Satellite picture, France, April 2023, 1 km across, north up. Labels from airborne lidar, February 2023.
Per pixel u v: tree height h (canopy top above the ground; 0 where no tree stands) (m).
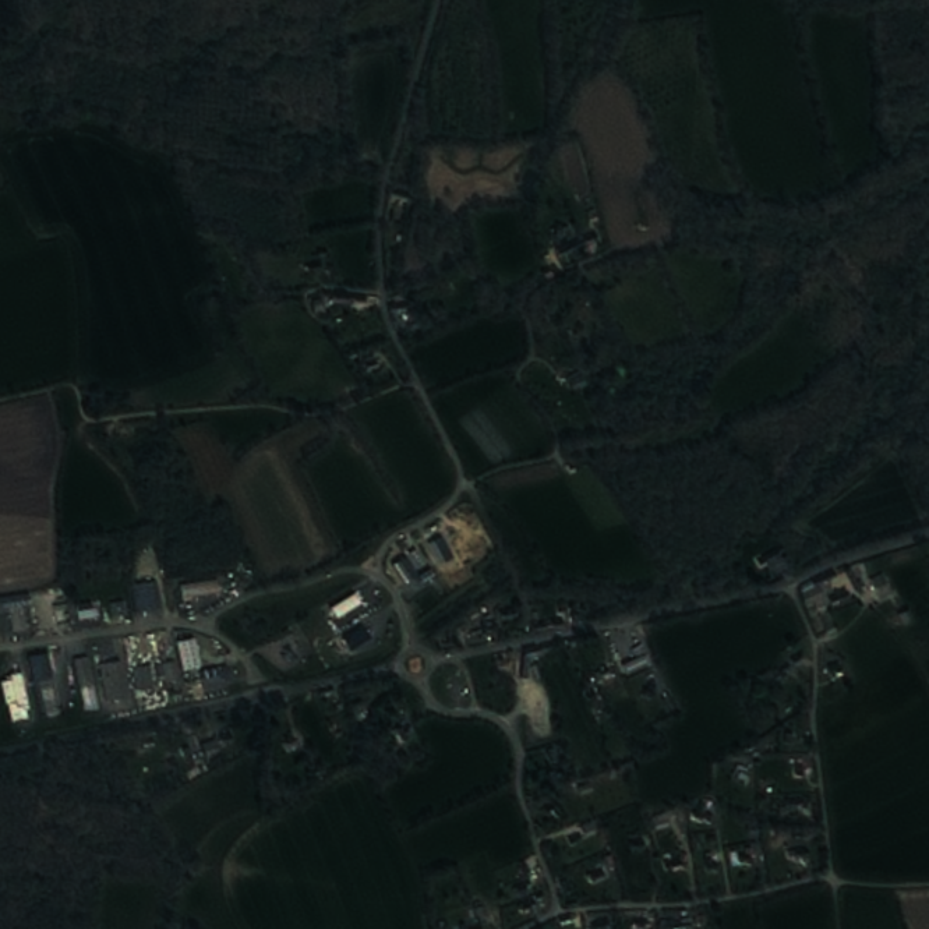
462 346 0
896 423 10
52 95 11
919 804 0
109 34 13
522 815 0
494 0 0
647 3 0
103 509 0
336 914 0
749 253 8
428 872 9
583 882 0
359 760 15
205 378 0
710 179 0
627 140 0
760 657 0
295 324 0
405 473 0
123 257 0
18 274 0
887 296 8
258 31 9
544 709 0
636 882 0
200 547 11
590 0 8
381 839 0
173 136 24
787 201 17
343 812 0
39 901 9
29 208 0
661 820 0
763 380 0
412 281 14
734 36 0
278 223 9
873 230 12
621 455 17
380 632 0
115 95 8
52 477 0
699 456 11
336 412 14
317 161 14
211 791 0
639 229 0
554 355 0
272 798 16
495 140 13
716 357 10
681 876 0
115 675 0
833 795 0
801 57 10
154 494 8
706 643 0
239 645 0
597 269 11
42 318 0
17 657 0
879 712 0
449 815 10
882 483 0
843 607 0
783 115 0
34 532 0
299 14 10
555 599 6
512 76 0
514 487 0
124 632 0
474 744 0
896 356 7
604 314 16
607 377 9
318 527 0
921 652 0
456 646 12
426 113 9
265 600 0
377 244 12
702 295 0
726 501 12
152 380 0
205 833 0
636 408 14
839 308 9
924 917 0
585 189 0
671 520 11
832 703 0
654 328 0
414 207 10
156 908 0
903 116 12
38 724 0
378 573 0
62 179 0
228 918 0
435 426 9
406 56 13
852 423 10
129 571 7
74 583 7
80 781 18
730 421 12
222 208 9
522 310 10
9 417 0
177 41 11
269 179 19
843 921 0
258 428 0
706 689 0
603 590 16
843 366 16
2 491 0
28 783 14
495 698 0
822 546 9
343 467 0
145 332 0
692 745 0
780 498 18
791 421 10
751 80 0
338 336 10
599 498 0
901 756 0
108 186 0
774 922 0
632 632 0
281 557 0
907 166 17
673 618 8
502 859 0
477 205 14
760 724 13
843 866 0
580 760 0
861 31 0
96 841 9
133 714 0
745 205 17
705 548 11
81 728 0
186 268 0
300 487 0
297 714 6
